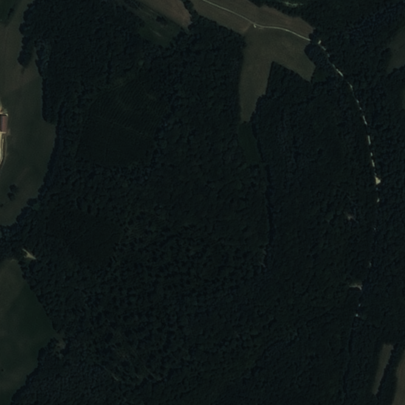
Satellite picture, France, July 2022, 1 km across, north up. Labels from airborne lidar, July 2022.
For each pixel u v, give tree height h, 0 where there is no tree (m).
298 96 19
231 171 24
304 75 0
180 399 22
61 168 27
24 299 0
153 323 30
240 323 30
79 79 22
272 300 28
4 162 0
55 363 29
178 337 31
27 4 0
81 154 11
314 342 25
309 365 20
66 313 33
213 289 14
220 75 22
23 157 0
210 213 27
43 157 0
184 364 28
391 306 20
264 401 25
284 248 29
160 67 25
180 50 16
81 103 25
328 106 23
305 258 26
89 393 33
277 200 31
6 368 0
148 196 27
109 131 7
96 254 9
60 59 25
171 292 26
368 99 16
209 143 23
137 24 22
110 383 30
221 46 23
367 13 26
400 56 0
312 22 23
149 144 7
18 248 25
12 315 0
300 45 0
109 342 30
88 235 8
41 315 0
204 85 25
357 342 23
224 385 15
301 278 26
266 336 25
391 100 18
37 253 25
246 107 0
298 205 30
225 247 27
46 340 0
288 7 7
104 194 25
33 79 0
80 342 34
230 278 7
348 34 23
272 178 32
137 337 8
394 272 21
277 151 26
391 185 16
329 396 26
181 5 0
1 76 0
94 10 23
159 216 26
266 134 26
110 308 14
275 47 0
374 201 23
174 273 6
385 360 0
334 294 15
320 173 32
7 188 0
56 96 20
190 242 27
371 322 25
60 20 24
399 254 24
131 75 27
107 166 8
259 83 0
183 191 31
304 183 30
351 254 25
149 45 24
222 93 23
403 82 16
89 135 7
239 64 18
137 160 8
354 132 18
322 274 31
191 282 8
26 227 27
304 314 22
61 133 23
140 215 6
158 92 15
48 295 26
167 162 30
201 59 29
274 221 32
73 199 28
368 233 23
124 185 29
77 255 10
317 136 29
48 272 25
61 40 25
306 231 30
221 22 0
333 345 24
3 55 0
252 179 33
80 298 32
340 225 28
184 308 29
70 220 12
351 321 11
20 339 0
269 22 0
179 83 15
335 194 9
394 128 25
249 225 25
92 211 25
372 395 13
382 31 31
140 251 6
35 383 33
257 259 26
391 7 28
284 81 22
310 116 25
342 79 22
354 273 26
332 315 23
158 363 32
